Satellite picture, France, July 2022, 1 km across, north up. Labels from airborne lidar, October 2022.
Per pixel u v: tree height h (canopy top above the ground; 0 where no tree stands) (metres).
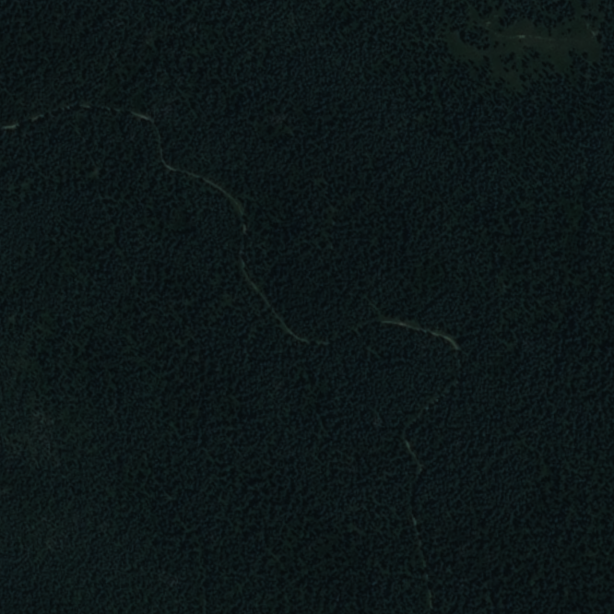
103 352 19
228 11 18
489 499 19
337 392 22
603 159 22
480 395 21
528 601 27
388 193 23
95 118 15
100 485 16
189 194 13
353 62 20
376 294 14
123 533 13
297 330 17
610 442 15
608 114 11
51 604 7
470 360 7
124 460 22
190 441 26
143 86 19
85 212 17
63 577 16
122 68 21
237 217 9
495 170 23
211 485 26
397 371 22
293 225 8
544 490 26
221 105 24
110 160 21
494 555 18
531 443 19
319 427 24
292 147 23
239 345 19
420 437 22
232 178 26
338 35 23
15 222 20
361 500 16
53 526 8
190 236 24
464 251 11
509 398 20
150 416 17
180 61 21
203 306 16
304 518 25
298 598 22
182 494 20
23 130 21
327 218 21
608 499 16
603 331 29
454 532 9
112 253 13
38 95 15
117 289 19
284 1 21
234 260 21
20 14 17
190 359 10
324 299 15
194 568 20
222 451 16
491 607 14
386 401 22
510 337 16
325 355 26
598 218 30
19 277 11
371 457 19
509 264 26
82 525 17
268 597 18
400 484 25
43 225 22
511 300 24
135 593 16
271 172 11
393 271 22
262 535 22
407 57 21
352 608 9
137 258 21
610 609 18
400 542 14
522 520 26
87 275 27
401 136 9
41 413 17
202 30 20
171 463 23
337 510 20
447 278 9
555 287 26
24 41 18
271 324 11
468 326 7
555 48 0
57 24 18
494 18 0
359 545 7
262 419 19
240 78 24
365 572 9
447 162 17
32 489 19
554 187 8
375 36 29
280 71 21
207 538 13
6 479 17
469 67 21
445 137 26
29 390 14
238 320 27
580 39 0
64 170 25
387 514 22
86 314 20
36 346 22
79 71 17
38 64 16
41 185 14
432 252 18
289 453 23
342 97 24
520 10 13
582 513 14
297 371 23
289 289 15
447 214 17
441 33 7
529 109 10
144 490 21
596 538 27
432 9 10
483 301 23
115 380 6
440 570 26
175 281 10
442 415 17
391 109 23
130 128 24
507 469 27
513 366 14
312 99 27
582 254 7
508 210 21
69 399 19
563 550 12
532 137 9
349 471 22
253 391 18
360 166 19
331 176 25
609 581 20
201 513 20
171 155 12
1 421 18
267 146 26
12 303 7
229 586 13
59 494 19
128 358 23
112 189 8
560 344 17
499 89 6
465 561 27
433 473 9
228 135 17
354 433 27
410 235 27
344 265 18
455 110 24
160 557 20
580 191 7
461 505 21
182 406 16
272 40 18
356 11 22
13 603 17
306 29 24
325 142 27
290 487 7
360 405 27
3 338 22
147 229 21
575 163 19
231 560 11
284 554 21
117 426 9
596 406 10
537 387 24
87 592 17
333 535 13
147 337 24
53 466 14
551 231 29
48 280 12
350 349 24
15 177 24
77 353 21
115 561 18
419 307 11
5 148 20
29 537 9
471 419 21
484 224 8
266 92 28
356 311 20
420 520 17
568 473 24
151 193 16
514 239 18
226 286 18
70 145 22
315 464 21
